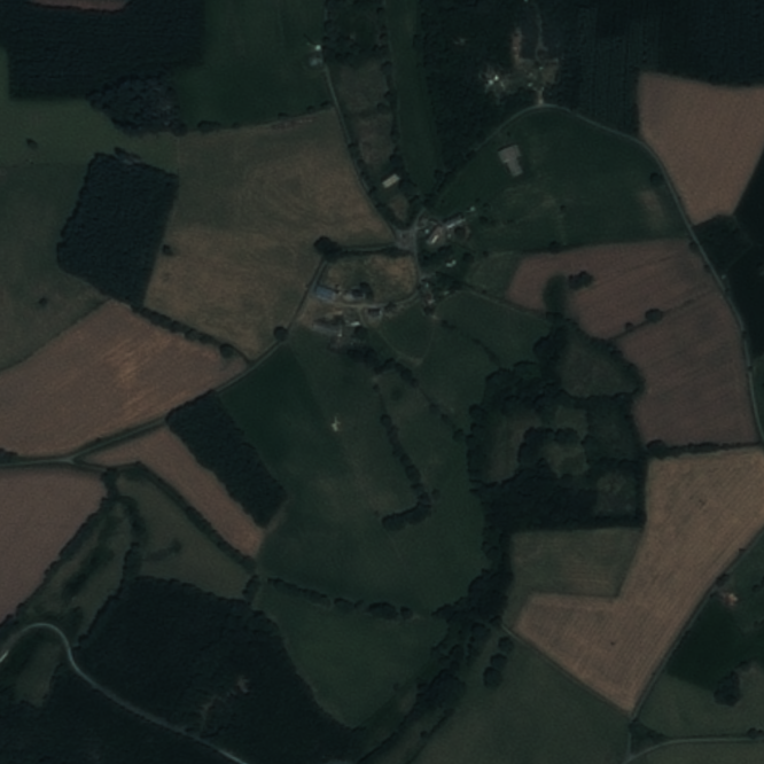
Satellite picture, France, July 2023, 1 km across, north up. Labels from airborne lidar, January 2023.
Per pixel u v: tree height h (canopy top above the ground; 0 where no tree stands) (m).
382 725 0
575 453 0
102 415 0
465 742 0
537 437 22
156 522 0
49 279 0
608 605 0
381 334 0
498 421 0
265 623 24
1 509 0
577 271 0
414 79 0
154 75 8
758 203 0
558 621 0
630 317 0
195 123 0
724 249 5
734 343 0
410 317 0
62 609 0
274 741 11
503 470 0
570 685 0
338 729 13
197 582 0
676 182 0
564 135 0
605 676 0
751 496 0
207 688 21
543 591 0
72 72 14
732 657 0
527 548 0
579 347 0
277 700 13
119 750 13
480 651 17
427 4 13
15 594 0
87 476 0
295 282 0
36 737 8
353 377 0
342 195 0
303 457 0
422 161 0
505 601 12
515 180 0
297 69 0
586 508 6
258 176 0
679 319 0
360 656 0
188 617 15
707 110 0
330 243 11
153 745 12
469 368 0
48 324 0
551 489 19
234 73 0
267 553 0
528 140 0
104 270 25
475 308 0
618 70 15
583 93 15
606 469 14
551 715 0
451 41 7
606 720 0
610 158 0
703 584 0
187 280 0
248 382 0
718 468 0
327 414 0
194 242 0
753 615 0
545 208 0
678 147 0
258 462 19
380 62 0
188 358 0
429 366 0
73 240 18
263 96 0
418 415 0
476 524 0
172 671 14
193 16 11
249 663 14
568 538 0
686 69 9
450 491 0
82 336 0
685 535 0
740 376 0
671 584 0
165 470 0
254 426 0
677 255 0
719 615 0
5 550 0
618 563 0
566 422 0
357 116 0
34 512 0
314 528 0
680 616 0
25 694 0
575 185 0
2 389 0
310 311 0
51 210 0
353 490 0
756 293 0
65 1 26
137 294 23
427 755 0
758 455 0
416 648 0
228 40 0
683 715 0
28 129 0
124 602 19
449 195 0
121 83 7
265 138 0
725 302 0
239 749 10
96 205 24
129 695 12
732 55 15
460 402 0
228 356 18
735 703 12
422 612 0
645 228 0
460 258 0
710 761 0
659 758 0
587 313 0
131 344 0
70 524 0
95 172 16
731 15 13
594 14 13
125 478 0
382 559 0
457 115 11
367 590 0
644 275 0
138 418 0
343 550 0
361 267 0
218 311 0
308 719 13
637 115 11
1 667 6
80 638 0
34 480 0
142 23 12
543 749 0
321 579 0
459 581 0
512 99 6
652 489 0
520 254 0
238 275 0
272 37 0
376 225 0
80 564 0
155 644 16
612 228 0
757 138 0
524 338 0
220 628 12
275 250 0
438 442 0
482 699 0
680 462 0
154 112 32
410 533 0
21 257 0
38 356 0
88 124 0
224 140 0
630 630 0
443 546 0
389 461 0
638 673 0
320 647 0
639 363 0
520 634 0
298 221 0
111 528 0
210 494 0
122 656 18
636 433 9
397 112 6
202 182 0
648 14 9
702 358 0
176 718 20
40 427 0
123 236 22
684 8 7
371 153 0
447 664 19
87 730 7
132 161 30
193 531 0
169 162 0
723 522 0
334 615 0
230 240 0
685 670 0
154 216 20
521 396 9
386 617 18
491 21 11
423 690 18
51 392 0
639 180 0
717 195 0
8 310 0
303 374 0
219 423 20
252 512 16
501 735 0
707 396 0
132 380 0
